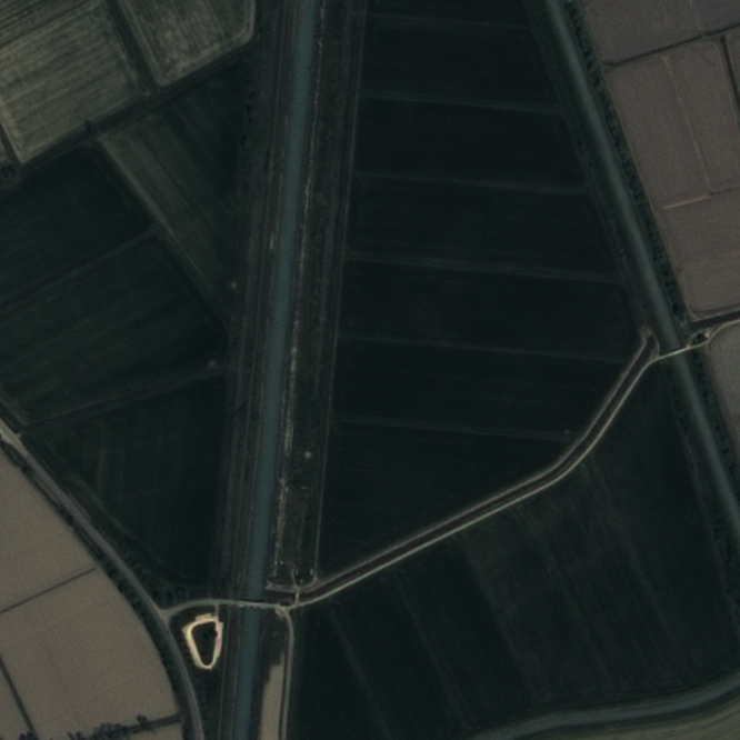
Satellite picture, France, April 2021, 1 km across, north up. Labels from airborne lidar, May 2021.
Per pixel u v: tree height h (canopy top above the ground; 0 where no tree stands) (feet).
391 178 0
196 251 0
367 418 0
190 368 0
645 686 0
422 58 0
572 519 0
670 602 0
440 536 0
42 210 0
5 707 0
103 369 0
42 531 0
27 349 0
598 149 0
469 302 0
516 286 0
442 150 0
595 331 0
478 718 0
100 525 0
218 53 0
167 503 0
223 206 0
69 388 0
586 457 0
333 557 0
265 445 0
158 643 42
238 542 0
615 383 0
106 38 0
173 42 0
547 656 0
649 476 0
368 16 0
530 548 0
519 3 0
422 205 0
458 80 0
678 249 0
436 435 0
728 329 0
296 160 0
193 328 0
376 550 0
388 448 0
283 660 0
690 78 0
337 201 0
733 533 0
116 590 0
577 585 0
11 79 0
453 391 0
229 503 0
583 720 0
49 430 0
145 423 0
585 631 0
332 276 0
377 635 0
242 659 0
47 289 0
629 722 0
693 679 0
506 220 0
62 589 0
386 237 0
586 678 0
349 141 0
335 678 0
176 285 0
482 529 0
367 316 0
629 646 0
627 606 0
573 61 0
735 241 0
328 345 0
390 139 0
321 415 0
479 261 0
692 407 0
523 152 0
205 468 0
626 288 0
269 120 0
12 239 0
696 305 0
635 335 0
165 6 0
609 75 0
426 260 0
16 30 0
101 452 0
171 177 0
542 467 0
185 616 0
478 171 0
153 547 0
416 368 0
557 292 0
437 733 0
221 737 0
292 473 0
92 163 0
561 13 0
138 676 0
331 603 0
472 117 0
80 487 0
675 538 0
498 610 0
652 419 0
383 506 0
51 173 0
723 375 0
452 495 0
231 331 0
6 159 0
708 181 0
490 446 0
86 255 0
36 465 0
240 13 0
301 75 0
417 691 0
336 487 0
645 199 51
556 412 0
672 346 0
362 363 0
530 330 0
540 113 0
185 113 0
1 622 0
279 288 0
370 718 0
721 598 0
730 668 0
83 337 0
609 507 0
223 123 0
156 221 0
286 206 0
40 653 0
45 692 0
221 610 0
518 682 0
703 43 0
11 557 0
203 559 0
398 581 0
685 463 0
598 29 0
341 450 0
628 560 0
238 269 0
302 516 0
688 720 0
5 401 0
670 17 0
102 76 0
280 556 0
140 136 0
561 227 0
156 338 0
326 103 0
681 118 0
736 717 0
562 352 0
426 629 0
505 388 0
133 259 0
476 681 0
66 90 0
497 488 0
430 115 0
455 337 0
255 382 0
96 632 0
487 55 0
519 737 0
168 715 0
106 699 0
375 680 0
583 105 0
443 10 0
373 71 0
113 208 0
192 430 0
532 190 0
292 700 0
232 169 0
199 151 0
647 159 0
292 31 0
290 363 0
